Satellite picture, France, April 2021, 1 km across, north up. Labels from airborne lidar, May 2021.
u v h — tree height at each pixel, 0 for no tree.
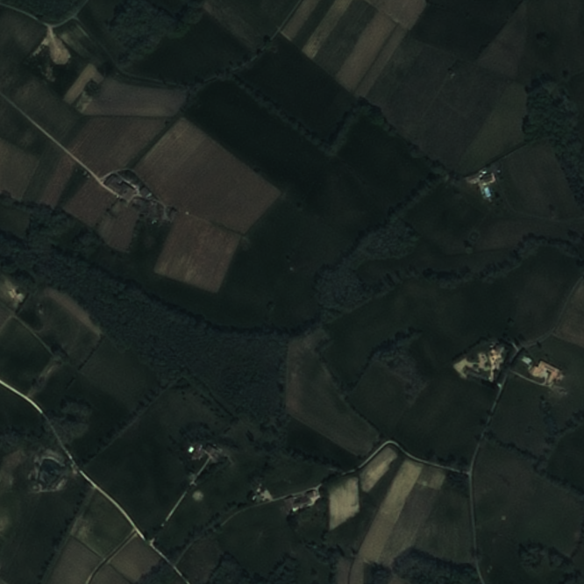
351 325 0
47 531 0
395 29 0
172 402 0
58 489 0
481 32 0
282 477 0
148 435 0
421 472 0
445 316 0
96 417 0
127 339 21
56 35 0
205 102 0
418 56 0
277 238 0
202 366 22
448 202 0
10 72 0
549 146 0
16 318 0
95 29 0
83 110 0
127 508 0
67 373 0
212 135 0
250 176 0
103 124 0
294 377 0
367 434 0
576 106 0
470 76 0
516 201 0
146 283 0
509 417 0
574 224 0
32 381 0
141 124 0
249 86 11
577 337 0
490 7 0
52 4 21
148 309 23
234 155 0
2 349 0
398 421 0
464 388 0
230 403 11
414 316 0
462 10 0
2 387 0
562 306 0
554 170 0
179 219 0
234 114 0
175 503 0
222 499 0
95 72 0
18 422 0
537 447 0
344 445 0
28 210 8
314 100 0
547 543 0
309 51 0
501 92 0
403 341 17
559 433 12
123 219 0
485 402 0
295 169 0
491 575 0
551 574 0
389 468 0
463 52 0
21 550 0
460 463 11
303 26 0
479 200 0
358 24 0
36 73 0
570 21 0
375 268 0
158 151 0
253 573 0
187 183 0
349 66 0
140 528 0
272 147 0
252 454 0
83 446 0
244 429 0
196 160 0
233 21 0
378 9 0
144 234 0
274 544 0
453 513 0
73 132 0
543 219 0
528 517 0
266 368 11
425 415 0
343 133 20
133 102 0
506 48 0
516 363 7
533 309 0
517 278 0
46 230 21
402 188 0
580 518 0
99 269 19
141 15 23
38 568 0
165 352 24
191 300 0
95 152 0
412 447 0
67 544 0
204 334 26
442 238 0
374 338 0
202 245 0
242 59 0
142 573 0
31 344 0
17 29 0
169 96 0
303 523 7
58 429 21
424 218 0
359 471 10
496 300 0
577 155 21
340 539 0
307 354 0
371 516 0
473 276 19
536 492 0
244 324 0
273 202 0
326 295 18
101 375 0
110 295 24
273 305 7
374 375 0
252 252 0
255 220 0
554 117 23
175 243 0
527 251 14
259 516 0
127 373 0
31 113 0
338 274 18
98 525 0
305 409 0
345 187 0
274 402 19
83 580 0
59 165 0
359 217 0
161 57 0
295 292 0
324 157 0
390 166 0
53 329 0
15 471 0
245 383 13
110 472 0
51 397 0
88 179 0
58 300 0
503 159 0
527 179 0
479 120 0
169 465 0
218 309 0
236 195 0
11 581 0
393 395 0
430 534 0
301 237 0
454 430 0
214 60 0
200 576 0
